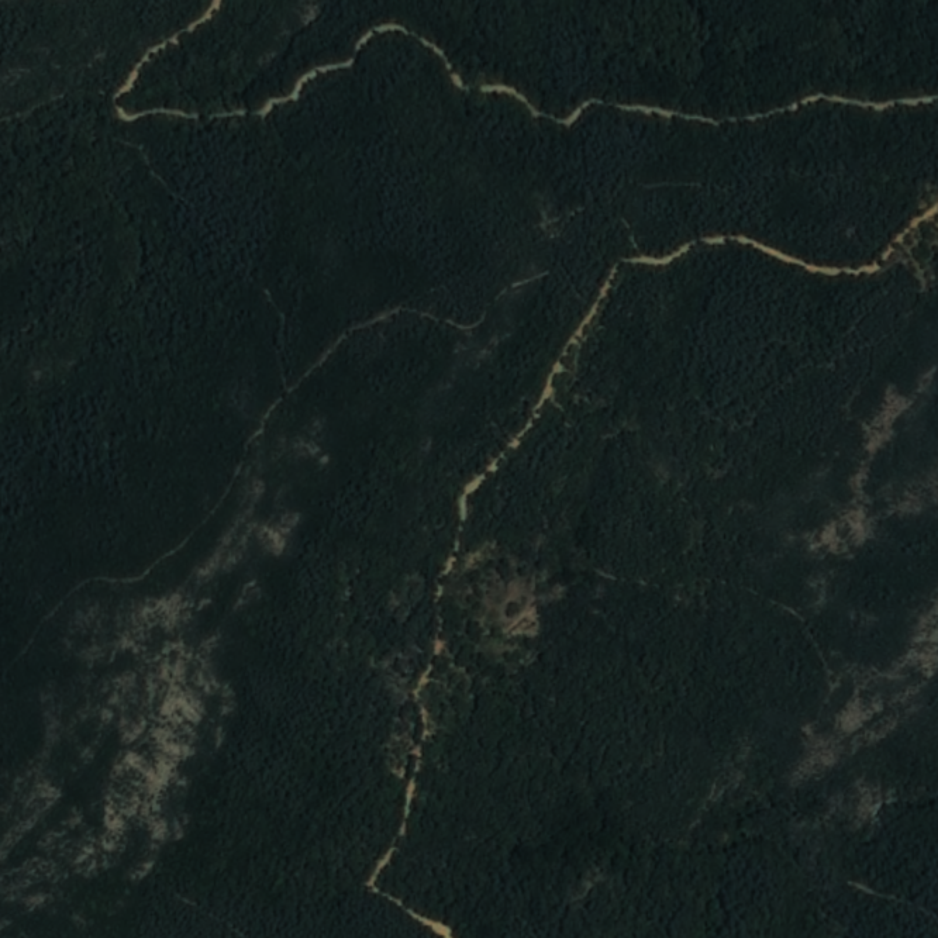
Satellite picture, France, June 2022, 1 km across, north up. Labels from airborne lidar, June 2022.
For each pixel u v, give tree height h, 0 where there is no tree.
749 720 9
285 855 9
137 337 16
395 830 8
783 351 7
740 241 7
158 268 14
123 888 6
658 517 8
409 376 13
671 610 10
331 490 6
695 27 16
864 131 10
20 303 7
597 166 18
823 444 11
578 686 15
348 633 11
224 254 16
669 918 13
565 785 14
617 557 7
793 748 6
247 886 15
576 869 18
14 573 6
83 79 8
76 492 6
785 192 7
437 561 16
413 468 15
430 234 15
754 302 17
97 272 16
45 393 7
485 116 19
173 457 6
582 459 9
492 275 10
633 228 7
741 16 12
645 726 12
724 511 9
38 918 9
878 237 12
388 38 8
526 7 8
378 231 13
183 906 14
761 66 15
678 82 18
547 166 9
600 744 16
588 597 10
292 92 8
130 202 11
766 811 18
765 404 9
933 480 0
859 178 12
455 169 7
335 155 6
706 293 9
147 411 7
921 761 11
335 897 9
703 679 15
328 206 6
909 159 10
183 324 16
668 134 12
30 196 20
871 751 6
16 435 7
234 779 17
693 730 7
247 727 15
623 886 6
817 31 13
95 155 17
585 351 6
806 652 6
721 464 13
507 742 18
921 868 13
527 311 6
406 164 9
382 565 16
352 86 10
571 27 13
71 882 5
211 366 5
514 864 18
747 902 12
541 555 7
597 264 15
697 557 14
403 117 6
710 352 16
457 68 15
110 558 6
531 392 8
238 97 14
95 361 7
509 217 12
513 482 10
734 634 10
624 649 9
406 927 13
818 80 14
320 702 19
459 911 19
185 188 14
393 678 15
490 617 0
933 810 14
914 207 11
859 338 12
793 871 17
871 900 6
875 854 7
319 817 19
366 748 17
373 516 18
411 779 17
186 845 8
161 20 9
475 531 14
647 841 10
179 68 6
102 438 15
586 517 10
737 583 10
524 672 10
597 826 10
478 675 14
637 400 8
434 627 20
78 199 14
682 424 8
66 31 7
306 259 6
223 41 13
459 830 9
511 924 12
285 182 11
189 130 16
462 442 13
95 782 6
